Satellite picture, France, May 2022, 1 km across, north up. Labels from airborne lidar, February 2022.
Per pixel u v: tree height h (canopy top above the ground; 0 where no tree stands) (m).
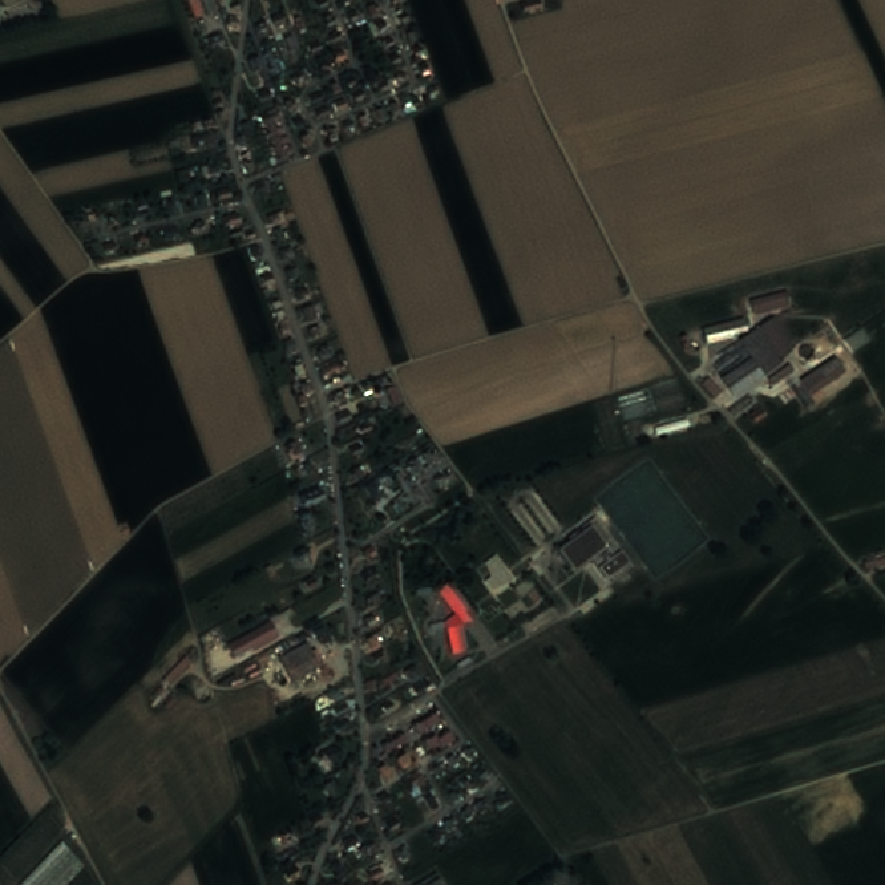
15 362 0
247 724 0
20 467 0
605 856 0
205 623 0
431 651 0
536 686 0
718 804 0
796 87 0
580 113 0
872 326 0
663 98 0
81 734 0
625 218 0
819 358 0
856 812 0
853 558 0
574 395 0
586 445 0
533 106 0
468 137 0
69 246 0
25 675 0
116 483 0
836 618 0
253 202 0
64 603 0
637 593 0
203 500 0
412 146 0
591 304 0
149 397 0
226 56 0
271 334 0
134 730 0
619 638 0
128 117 0
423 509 0
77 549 0
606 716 0
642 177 0
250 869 0
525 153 0
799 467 0
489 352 0
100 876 0
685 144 0
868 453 0
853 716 0
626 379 0
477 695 0
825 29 0
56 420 0
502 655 0
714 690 0
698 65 0
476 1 0
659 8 0
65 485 0
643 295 0
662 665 0
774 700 0
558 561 0
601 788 0
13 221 0
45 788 0
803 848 0
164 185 0
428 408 0
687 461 0
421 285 0
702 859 0
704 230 0
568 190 0
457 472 0
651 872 0
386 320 0
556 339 0
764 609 0
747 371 0
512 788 0
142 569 0
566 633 0
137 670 0
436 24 0
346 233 0
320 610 0
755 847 0
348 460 0
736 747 0
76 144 0
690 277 0
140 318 0
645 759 0
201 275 0
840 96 0
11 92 0
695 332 0
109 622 0
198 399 0
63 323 0
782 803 0
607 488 0
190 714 0
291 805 0
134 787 0
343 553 0
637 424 0
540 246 0
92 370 0
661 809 0
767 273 0
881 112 0
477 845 0
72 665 0
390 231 0
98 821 0
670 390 0
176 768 0
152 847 0
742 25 0
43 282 0
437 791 0
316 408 0
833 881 0
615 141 0
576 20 0
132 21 0
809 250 0
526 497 0
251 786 0
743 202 0
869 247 0
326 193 0
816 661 0
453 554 0
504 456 0
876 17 0
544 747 0
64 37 0
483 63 0
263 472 0
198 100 0
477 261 0
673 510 0
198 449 0
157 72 0
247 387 0
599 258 0
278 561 0
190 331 0
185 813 0
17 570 0
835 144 0
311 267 7
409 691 0
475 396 0
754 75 0
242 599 0
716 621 0
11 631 0
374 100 0
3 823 0
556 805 0
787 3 0
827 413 0
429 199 0
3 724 0
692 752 0
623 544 0
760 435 0
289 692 0
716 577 0
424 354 0
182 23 0
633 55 0
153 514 0
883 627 0
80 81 0
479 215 0
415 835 0
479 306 0
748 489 0
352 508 0
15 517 0
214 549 0
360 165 0
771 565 0
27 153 0
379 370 0
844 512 0
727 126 0
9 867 0
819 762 0
